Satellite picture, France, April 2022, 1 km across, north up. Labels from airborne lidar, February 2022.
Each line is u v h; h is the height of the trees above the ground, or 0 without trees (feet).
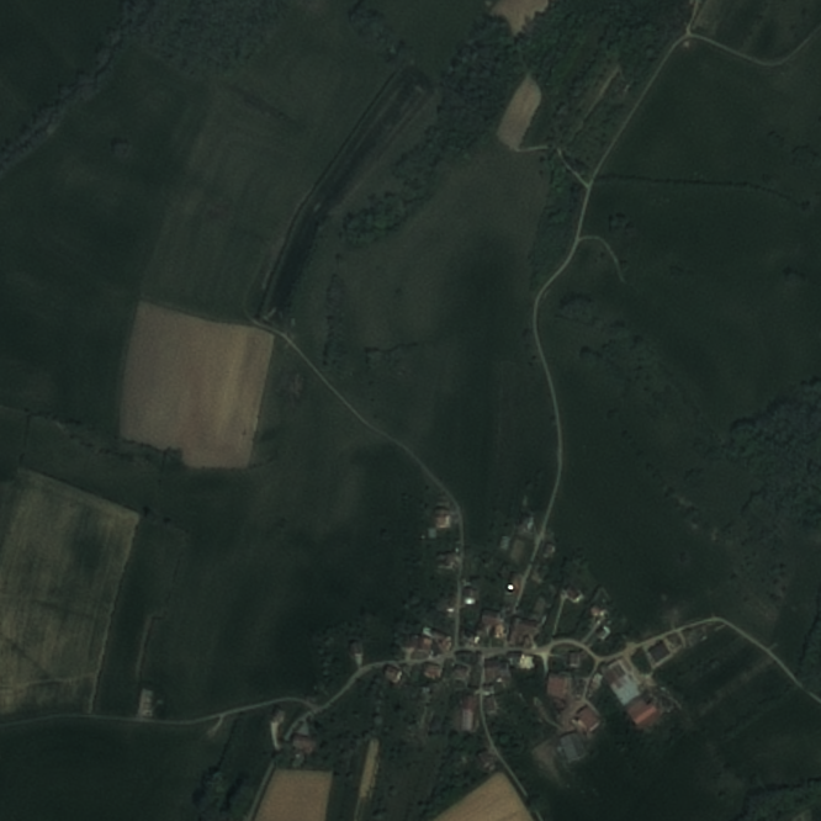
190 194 0
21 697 0
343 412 0
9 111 0
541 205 0
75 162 0
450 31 0
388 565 0
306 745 0
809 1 0
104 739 0
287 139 0
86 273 0
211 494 0
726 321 0
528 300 0
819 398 66
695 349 0
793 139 0
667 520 0
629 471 0
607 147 23
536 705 0
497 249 0
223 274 0
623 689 0
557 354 0
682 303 0
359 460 0
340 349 30
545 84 25
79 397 0
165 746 0
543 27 47
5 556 0
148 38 69
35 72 0
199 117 0
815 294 0
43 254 0
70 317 0
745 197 0
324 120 0
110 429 0
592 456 0
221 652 0
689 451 0
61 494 0
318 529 0
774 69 0
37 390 0
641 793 0
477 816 0
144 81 0
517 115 0
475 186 0
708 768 0
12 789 0
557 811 0
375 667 0
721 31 0
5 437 0
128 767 0
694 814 0
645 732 22
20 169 0
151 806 0
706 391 0
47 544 0
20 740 0
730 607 0
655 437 0
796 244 0
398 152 0
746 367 0
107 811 0
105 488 0
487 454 0
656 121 0
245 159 0
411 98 0
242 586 0
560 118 30
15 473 0
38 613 0
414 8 0
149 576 0
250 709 0
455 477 0
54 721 0
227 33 63
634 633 26
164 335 0
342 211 0
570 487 0
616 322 0
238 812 55
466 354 0
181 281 0
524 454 0
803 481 86
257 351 0
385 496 0
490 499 0
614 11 43
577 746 0
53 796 0
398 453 0
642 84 23
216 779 47
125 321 0
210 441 0
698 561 0
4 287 0
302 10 0
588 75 27
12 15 0
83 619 0
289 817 0
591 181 25
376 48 55
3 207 0
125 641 0
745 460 42
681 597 0
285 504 0
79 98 40
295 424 0
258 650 0
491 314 0
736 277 0
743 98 0
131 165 0
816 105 0
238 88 0
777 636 0
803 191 0
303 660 0
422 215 0
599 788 0
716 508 0
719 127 0
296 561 0
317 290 0
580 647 0
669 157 0
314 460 0
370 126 0
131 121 0
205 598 0
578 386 0
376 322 0
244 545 0
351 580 0
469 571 0
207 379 0
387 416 0
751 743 0
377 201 29
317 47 0
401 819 0
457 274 0
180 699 0
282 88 0
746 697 0
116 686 0
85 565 0
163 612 0
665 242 0
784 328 0
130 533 0
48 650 0
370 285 0
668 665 0
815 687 70
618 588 0
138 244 0
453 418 0
